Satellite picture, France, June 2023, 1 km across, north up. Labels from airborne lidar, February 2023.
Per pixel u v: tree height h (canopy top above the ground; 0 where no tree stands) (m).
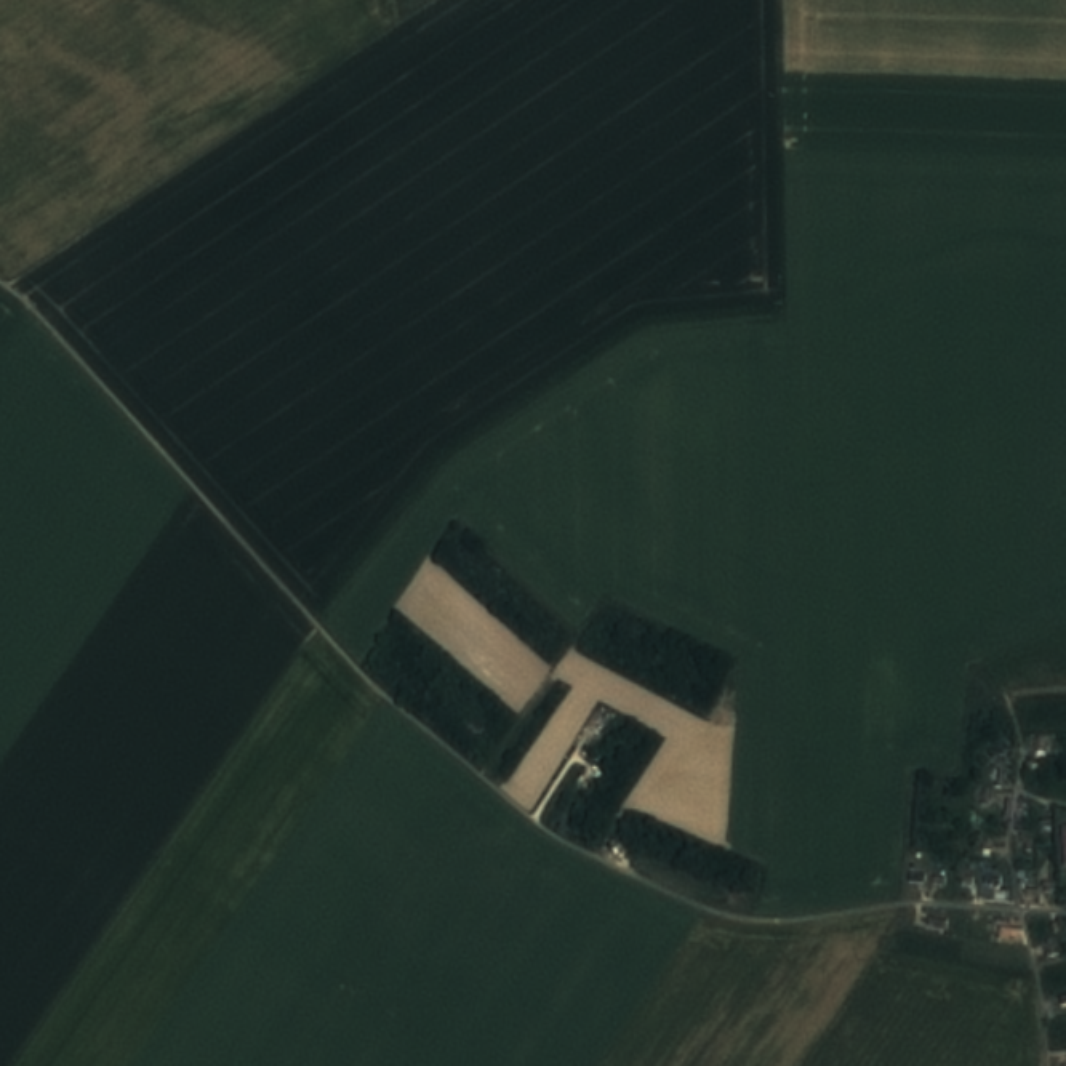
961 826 11
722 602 0
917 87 0
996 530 0
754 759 0
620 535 0
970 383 0
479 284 0
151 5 0
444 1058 0
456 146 0
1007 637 0
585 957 0
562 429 0
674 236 0
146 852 0
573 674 0
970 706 0
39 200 0
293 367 0
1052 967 0
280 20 0
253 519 0
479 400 0
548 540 0
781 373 0
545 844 0
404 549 0
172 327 0
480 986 0
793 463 0
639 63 0
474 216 0
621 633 15
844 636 0
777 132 0
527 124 0
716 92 0
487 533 0
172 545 0
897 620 0
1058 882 10
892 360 0
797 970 0
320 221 0
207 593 0
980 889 0
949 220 0
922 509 0
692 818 0
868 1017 0
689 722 0
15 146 0
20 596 0
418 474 0
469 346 0
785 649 0
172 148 0
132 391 0
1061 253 0
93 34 0
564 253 0
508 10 0
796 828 0
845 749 0
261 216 0
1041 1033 0
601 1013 0
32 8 0
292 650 0
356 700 0
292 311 0
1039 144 0
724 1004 0
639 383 0
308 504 0
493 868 0
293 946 0
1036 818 6
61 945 0
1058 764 10
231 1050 0
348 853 0
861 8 0
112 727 0
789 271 0
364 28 0
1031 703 0
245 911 0
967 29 0
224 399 0
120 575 0
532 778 0
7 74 0
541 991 0
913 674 0
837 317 0
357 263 0
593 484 0
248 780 0
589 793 6
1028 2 0
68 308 0
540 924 0
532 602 6
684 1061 0
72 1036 0
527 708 0
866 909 0
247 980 0
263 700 0
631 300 0
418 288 0
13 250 0
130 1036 0
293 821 0
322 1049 0
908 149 0
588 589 0
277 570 0
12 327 0
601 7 0
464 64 0
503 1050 0
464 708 7
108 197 0
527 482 0
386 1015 0
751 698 0
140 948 0
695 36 0
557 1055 0
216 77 0
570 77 0
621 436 0
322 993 0
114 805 0
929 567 0
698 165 0
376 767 0
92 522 0
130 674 0
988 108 0
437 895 0
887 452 0
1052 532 0
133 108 0
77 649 0
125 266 0
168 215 0
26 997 0
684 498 0
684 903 0
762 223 0
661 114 0
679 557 0
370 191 0
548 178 0
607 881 0
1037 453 0
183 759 0
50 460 0
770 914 0
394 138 0
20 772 0
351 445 0
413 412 0
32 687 0
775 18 0
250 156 0
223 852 0
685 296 0
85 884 0
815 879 0
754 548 0
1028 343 0
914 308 0
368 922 0
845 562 0
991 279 0
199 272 0
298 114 0
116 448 0
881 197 0
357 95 0
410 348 0
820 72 0
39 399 0
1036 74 0
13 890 0
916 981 0
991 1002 0
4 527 0
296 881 0
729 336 0
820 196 0
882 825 0
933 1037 0
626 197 0
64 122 0
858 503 0
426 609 0
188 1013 0
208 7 0
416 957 0
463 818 0
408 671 7
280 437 0
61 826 0
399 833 0
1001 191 0
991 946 0
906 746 0
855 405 0
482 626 0
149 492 0
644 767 11
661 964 0
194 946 0
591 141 0
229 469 0
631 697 0
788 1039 0
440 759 0
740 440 0
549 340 0
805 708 0
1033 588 0
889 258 0
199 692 0
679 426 0
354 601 0
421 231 0
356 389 0
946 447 0
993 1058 0
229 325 0
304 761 0
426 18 0
